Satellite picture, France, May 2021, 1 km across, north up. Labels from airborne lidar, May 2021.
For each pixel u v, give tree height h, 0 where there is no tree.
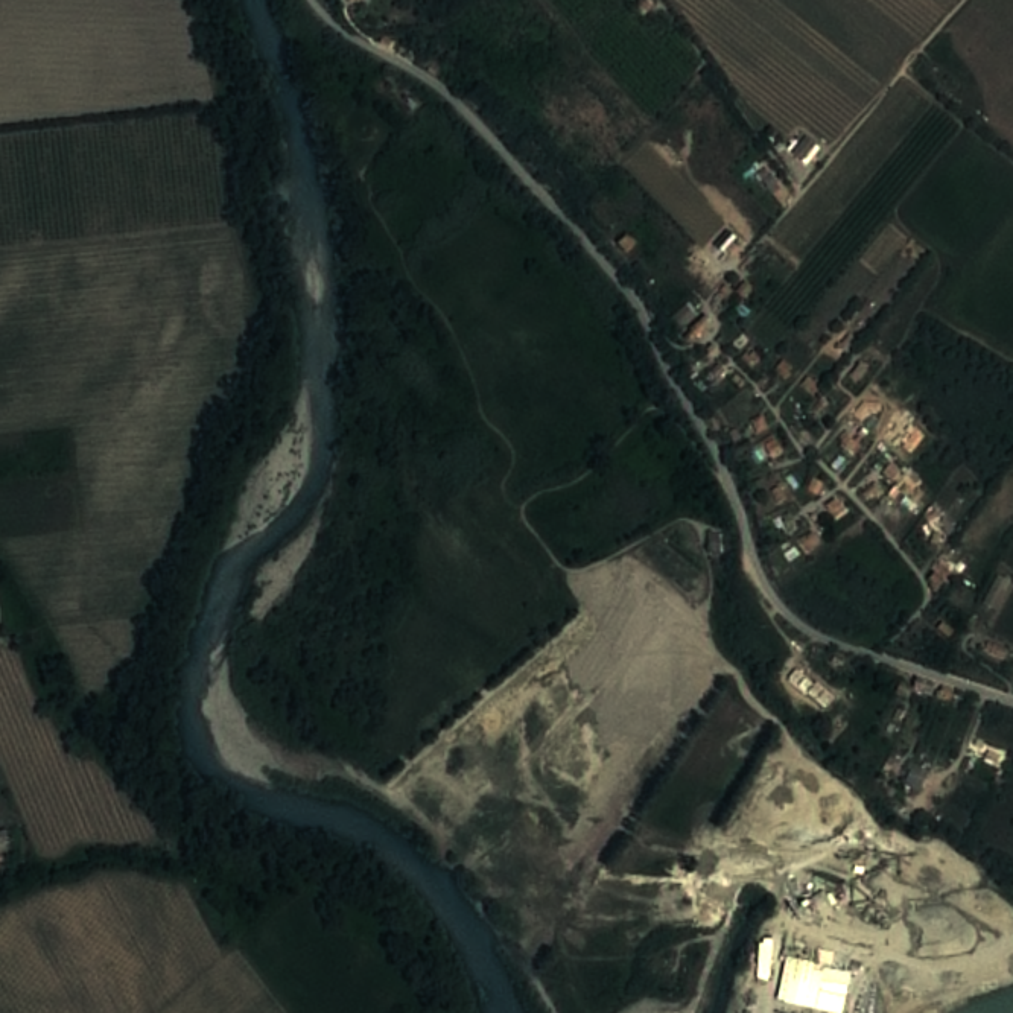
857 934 0
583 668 0
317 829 16
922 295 0
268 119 28
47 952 0
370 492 7
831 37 0
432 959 28
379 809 8
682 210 0
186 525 21
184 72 0
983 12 0
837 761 16
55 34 0
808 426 7
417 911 7
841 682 6
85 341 0
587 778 0
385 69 9
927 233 0
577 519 0
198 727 0
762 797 0
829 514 9
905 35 0
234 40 21
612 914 0
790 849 0
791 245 0
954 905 0
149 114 17
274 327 31
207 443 27
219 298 0
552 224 24
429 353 7
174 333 0
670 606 0
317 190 0
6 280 0
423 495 7
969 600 0
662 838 0
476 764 0
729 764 0
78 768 0
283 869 25
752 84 0
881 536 6
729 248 0
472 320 0
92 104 0
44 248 0
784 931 0
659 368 10
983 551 0
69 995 0
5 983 0
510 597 0
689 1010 0
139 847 14
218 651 0
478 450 7
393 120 9
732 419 0
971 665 7
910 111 0
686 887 0
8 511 0
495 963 0
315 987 0
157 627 28
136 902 0
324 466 0
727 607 6
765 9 0
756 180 0
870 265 0
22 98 0
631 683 0
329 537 6
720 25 0
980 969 0
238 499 8
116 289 0
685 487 9
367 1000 0
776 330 0
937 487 0
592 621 0
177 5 0
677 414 10
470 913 0
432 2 10
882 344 0
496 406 0
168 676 31
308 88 6
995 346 0
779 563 0
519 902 0
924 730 7
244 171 24
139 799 23
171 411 0
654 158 0
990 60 0
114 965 0
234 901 6
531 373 0
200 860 33
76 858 6
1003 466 7
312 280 0
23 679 0
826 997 0
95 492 0
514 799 0
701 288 0
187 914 0
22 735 0
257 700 6
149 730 31
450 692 0
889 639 7
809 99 0
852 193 0
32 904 0
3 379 0
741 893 6
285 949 0
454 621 0
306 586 5
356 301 29
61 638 0
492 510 0
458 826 0
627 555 0
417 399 8
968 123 9
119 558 0
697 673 0
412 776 0
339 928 23
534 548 0
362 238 25
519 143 8
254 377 28
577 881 0
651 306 12
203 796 35
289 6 8
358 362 27
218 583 0
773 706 8
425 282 0
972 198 0
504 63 11
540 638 16
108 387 0
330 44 13
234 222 14
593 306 6
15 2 0
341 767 0
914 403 0
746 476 9
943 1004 0
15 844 7
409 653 0
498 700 0
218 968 0
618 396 0
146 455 0
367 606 8
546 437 0
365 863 25
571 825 0
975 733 0
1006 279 0
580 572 0
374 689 6
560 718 0
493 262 0
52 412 0
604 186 6
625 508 0
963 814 0
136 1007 0
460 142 7
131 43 0
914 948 0
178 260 0
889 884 0
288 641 6
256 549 0
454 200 6
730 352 12
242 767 0
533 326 0
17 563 0
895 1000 0
